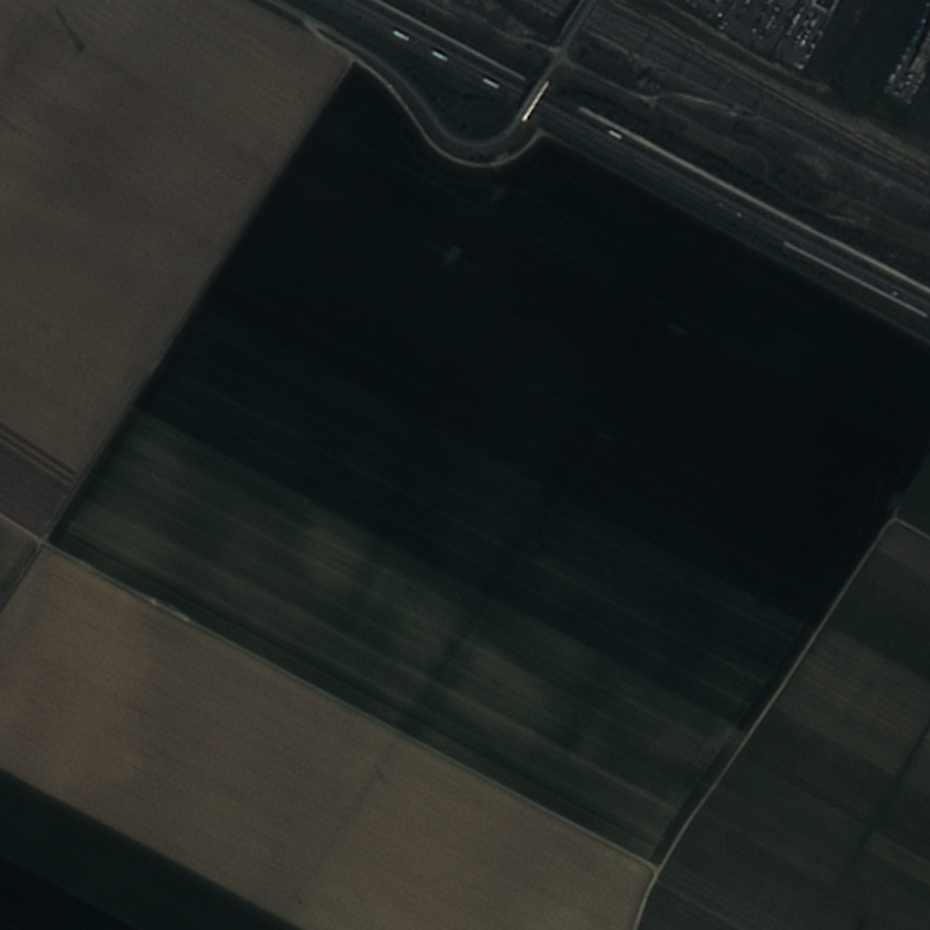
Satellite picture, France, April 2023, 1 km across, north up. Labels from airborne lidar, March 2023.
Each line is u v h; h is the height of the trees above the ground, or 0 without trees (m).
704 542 0
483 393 0
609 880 0
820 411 0
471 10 0
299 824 0
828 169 0
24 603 0
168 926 0
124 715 0
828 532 0
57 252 0
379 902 0
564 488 0
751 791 0
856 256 0
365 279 0
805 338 0
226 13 0
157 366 0
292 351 0
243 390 0
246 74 0
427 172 0
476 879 0
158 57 0
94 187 0
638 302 0
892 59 0
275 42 0
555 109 0
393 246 0
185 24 0
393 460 0
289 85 0
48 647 0
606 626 0
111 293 0
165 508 0
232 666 0
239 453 0
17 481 0
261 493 0
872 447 0
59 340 0
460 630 0
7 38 0
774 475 0
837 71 0
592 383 0
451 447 0
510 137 0
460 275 0
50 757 0
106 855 0
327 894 0
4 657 0
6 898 0
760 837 0
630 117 6
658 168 0
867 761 0
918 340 0
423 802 0
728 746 0
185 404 0
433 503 0
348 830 0
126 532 0
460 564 0
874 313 0
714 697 0
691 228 0
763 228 0
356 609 0
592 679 0
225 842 0
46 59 0
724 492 0
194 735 0
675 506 0
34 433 0
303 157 0
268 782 0
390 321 0
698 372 0
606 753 0
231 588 0
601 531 0
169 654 0
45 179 0
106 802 0
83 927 0
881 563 0
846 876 0
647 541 0
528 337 0
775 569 0
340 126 0
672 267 0
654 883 0
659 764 0
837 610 0
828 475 0
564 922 0
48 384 0
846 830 0
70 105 0
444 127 0
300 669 0
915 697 0
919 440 0
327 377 0
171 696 0
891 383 0
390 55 0
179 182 0
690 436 0
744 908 0
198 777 0
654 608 0
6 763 0
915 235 0
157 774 0
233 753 0
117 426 0
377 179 0
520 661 0
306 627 0
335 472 0
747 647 0
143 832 0
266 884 0
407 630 0
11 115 0
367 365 0
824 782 0
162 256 0
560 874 0
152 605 0
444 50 0
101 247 0
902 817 0
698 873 0
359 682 0
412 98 0
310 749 0
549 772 0
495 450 0
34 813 0
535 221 0
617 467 0
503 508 0
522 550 0
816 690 0
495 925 0
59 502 0
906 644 0
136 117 0
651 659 0
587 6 0
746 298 0
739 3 0
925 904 0
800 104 0
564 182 0
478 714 0
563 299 0
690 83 0
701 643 0
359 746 0
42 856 0
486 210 0
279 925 0
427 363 0
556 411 0
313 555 0
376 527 0
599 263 0
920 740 0
